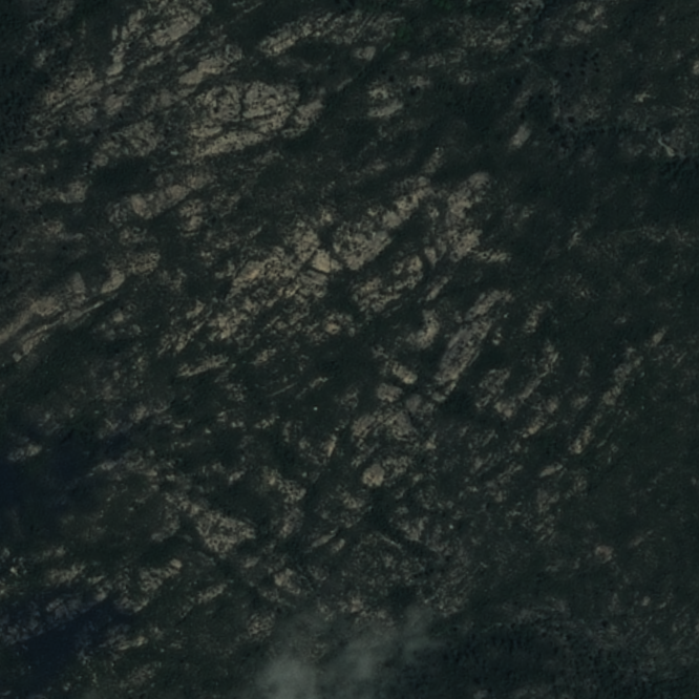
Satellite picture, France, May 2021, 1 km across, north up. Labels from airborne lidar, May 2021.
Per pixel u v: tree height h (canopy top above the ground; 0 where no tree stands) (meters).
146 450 8
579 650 6
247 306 0
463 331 0
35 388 6
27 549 7
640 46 6
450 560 20
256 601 10
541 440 8
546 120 9
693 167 12
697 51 7
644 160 6
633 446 8
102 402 6
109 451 9
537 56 9
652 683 7
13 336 0
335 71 10
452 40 8
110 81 0
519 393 0
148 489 0
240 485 7
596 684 7
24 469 7
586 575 8
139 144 0
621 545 7
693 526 6
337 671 10
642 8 6
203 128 0
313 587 8
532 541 6
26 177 12
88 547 6
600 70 17
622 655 14
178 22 0
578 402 0
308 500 7
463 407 8
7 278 11
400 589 7
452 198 0
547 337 7
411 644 33
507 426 9
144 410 0
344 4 29
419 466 8
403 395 6
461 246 0
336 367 7
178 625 6
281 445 8
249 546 8
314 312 6
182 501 0
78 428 7
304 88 10
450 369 0
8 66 12
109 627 7
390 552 7
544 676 9
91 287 0
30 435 6
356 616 7
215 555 7
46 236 0
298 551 10
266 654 7
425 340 0
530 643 12
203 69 0
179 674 8
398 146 7
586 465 8
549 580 8
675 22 9
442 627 8
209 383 5
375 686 9
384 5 10
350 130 6
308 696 13
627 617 9
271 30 6
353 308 7
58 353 8
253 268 0
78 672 6
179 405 10
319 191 0
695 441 6
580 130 10
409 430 0
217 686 7
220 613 7
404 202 0
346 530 6
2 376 8
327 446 0
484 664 10
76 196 0
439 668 18
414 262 0
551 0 14
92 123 0
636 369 6
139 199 0
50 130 7
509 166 6
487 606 10
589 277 6
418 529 0
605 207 6
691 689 12
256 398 9
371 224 0
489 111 8
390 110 0
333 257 0
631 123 7
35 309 0
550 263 8
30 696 17
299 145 6
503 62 6
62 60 10
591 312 7
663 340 7
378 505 9
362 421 0
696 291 7
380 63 9
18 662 6
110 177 7
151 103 0
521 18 7
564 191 6
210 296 0
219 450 8
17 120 10
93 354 6
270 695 7
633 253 6
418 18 10
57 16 9
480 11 9
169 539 6
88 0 7
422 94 26
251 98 0
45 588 6
